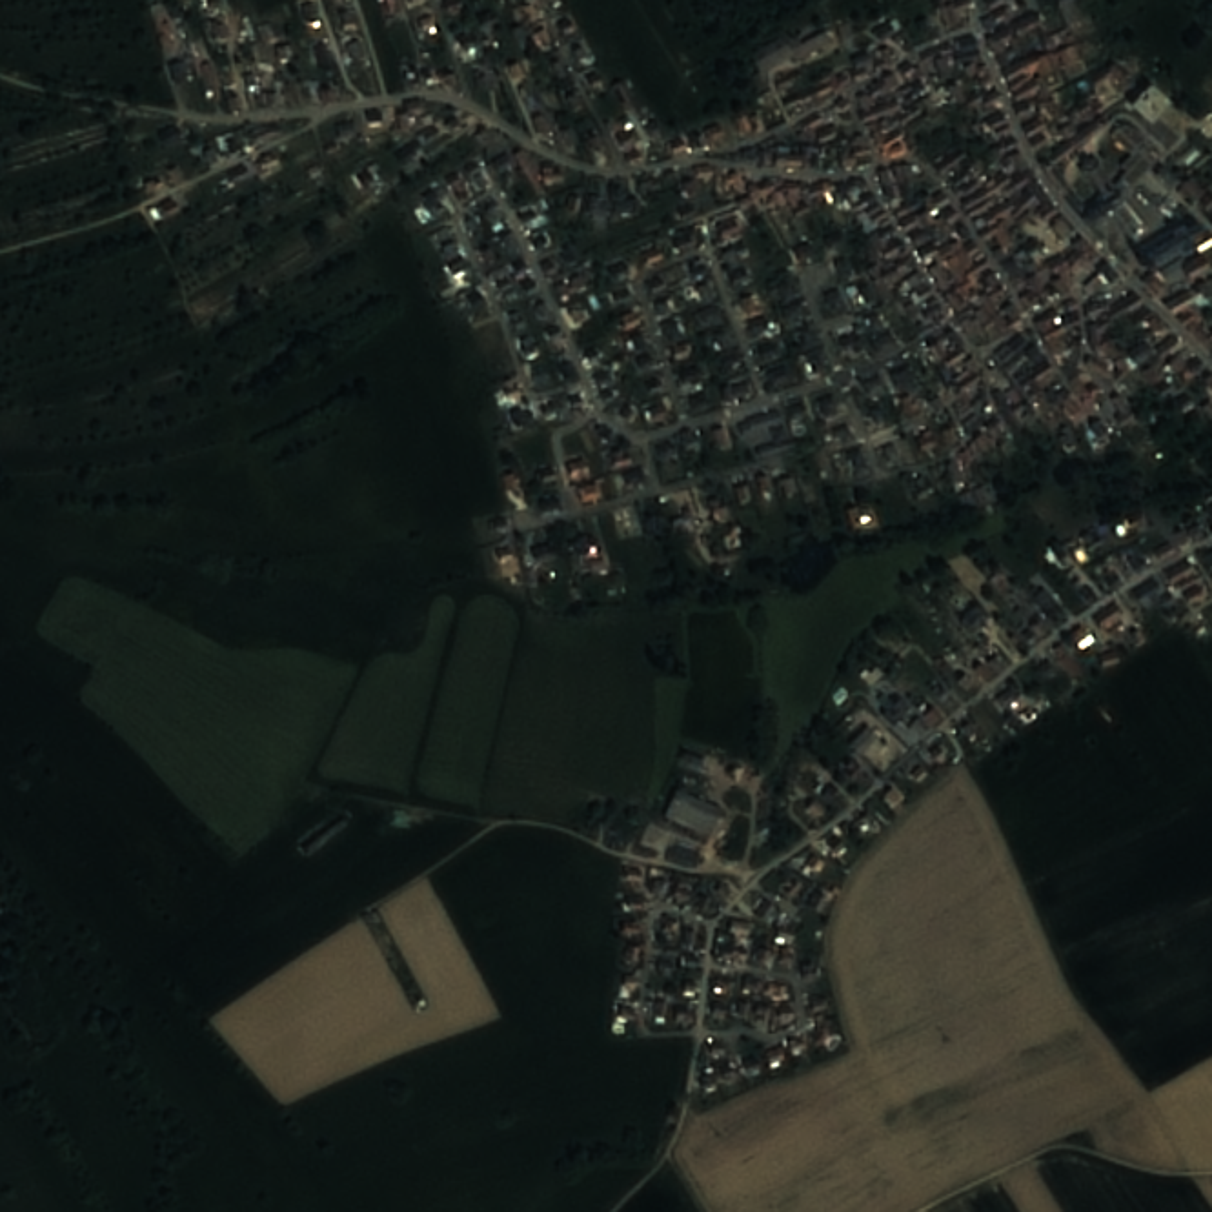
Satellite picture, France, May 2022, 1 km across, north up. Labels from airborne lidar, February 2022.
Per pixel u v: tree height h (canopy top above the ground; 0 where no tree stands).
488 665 0
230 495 0
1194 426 10
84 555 0
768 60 0
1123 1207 0
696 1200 0
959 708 0
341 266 6
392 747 0
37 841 0
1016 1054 0
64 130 0
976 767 0
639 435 0
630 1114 0
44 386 0
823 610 0
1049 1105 0
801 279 0
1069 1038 0
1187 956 0
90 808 0
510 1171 0
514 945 0
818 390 0
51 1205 0
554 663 0
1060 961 0
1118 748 0
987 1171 0
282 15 0
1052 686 0
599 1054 0
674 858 0
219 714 0
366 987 0
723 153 0
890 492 0
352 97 0
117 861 0
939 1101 0
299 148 0
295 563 0
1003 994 0
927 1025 0
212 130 0
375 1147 0
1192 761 0
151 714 0
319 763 0
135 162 0
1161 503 8
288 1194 0
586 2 0
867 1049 0
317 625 0
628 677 0
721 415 0
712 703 0
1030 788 0
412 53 0
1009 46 0
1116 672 0
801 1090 0
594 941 0
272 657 0
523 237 0
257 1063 0
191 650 0
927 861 0
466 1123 0
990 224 0
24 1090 6
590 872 0
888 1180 0
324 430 0
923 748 0
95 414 0
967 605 0
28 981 17
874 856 0
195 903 0
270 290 0
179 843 0
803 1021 0
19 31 6
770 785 0
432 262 0
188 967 0
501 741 0
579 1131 0
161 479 0
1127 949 0
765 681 0
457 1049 0
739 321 0
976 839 0
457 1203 0
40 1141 0
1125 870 0
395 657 0
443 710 0
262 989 0
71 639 0
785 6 11
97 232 0
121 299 0
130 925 0
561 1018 0
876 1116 0
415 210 0
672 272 0
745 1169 0
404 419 0
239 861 0
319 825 0
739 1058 0
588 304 0
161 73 7
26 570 0
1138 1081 0
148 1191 0
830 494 7
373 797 0
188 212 6
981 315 0
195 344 0
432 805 0
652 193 7
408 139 0
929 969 0
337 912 0
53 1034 17
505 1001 0
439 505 0
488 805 0
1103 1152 0
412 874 0
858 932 0
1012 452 0
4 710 0
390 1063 0
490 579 0
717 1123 0
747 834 0
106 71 0
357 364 0
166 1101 8
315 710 0
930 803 0
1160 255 0
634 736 0
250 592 0
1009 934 0
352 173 0
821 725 13
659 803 0
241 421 0
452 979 0
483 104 0
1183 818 0
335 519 0
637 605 0
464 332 0
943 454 0
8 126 0
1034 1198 0
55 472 0
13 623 0
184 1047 0
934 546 12
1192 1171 0
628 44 0
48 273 8
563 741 0
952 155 0
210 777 0
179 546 0
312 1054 0
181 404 0
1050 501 0
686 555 0
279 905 0
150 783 0
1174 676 0
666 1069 0
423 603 0
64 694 0
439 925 0
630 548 0
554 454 0
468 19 6
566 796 0
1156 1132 0
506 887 0
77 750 0
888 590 0
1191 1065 0
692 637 0
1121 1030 0
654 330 0
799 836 6
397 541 0
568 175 0
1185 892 0
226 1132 0
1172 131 0
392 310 7
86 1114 0
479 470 0
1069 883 0
